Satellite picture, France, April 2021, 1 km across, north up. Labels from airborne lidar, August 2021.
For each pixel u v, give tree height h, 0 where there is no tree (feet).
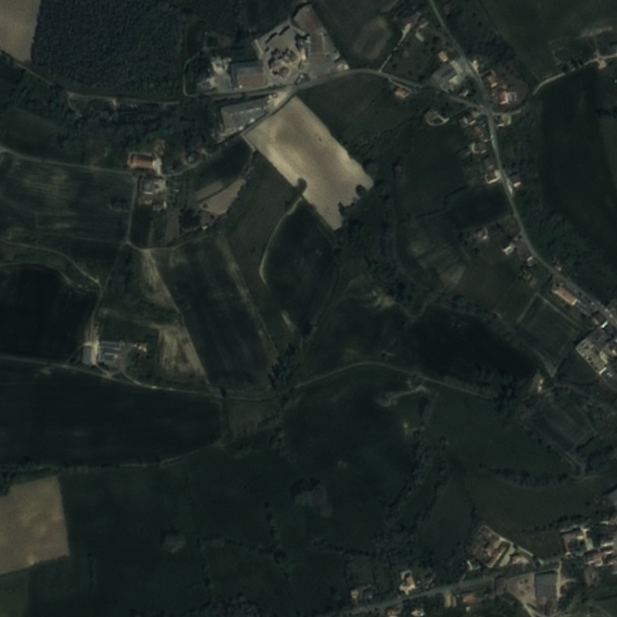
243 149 0
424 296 20
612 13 0
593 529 20
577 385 25
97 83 42
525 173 41
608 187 0
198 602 0
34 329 0
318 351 0
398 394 0
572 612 0
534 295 0
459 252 0
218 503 0
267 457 0
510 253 0
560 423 0
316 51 0
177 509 0
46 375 0
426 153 0
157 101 0
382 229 0
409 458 0
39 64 42
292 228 0
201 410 0
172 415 0
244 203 51
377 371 0
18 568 0
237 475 0
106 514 0
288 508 0
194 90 0
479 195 0
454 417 0
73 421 0
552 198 0
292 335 0
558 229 25
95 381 0
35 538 0
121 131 66
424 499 0
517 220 0
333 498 0
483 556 0
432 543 0
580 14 0
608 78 0
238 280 0
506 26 0
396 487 0
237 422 0
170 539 59
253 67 0
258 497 0
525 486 43
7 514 0
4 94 0
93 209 0
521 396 71
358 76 0
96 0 41
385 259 50
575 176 0
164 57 41
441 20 0
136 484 0
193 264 0
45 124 0
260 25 0
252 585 0
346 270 0
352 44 0
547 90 0
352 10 0
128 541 0
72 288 0
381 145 21
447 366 0
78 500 0
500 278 0
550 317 0
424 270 0
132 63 47
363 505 0
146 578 0
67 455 0
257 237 0
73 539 0
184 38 22
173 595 0
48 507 0
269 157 0
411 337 0
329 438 0
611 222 0
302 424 0
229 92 0
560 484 24
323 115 0
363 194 65
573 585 23
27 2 0
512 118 0
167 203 27
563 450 0
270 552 20
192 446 0
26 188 0
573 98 0
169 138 31
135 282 45
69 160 0
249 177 25
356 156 34
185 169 45
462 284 0
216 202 0
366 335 0
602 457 48
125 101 34
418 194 0
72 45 48
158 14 54
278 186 0
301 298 0
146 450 0
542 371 21
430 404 50
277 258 0
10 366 0
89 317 0
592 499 0
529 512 0
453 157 0
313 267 0
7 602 0
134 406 0
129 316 0
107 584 0
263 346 0
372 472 0
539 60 0
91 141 48
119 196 0
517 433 0
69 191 0
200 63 20
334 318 0
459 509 0
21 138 0
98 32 45
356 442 0
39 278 0
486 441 0
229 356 0
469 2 27
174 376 0
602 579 20
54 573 0
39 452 0
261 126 0
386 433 0
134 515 0
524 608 0
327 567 0
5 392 0
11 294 0
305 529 0
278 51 0
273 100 0
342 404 0
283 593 0
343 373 0
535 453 0
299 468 0
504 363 0
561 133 0
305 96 0
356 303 0
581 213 0
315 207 35
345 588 0
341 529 0
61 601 0
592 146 0
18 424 0
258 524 0
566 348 0
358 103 0
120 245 0
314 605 0
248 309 0
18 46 0
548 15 0
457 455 0
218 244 0
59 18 52
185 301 0
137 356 23
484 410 0
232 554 0
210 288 0
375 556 24
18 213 0
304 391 0
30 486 0
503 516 0
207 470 0
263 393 0
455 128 0
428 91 38
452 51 0
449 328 0
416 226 0
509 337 51
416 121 25
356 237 74
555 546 0
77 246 0
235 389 0
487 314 43
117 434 0
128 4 46
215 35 0
